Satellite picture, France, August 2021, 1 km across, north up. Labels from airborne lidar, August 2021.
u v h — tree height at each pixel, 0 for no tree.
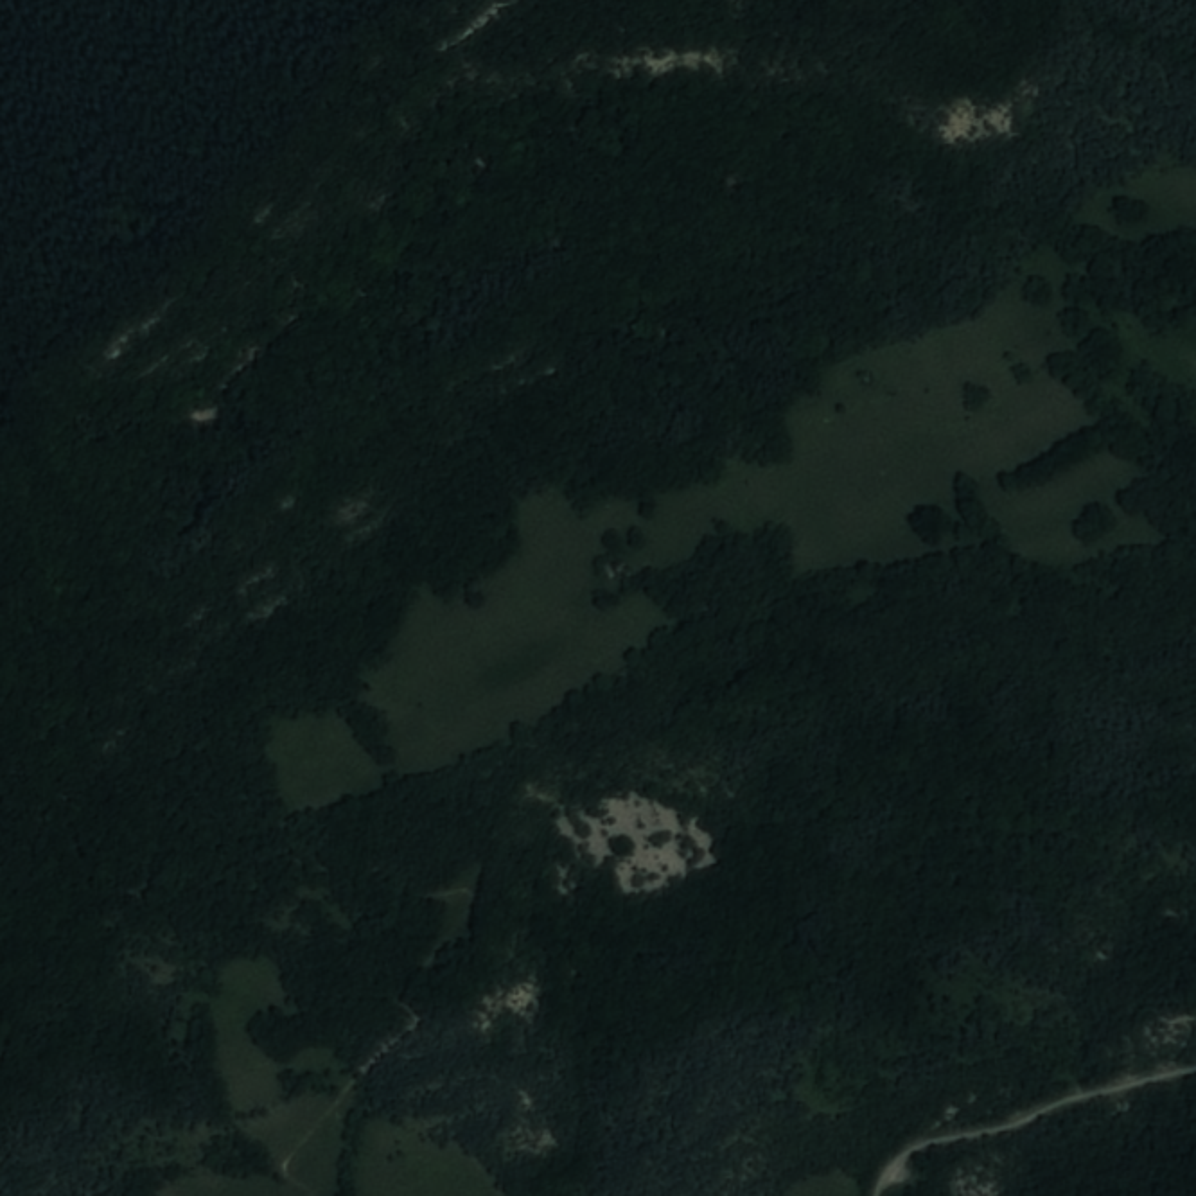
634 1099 12
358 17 18
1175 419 12
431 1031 11
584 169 22
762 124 26
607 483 19
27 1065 19
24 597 22
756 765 7
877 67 12
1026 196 8
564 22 13
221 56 18
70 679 22
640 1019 16
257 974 0
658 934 25
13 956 21
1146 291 17
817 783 16
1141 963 17
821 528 0
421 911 22
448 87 11
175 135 18
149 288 15
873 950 23
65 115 25
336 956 17
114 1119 12
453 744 0
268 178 14
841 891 16
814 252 12
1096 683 7
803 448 0
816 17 14
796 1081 11
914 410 0
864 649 11
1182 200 0
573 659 0
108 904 20
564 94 12
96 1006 13
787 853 20
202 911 12
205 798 12
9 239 27
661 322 14
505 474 15
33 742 23
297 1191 0
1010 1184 9
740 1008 15
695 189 26
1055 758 20
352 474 17
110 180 24
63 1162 13
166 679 11
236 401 23
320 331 20
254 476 29
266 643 21
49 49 24
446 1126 7
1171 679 14
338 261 19
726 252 24
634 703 13
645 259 21
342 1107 0
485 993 15
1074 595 9
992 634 16
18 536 20
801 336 25
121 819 19
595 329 17
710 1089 9
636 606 0
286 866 10
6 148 24
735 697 14
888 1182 0
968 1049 11
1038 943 12
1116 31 17
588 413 21
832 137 22
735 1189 7
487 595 9
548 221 25
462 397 17
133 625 16
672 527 0
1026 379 14
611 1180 13
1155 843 11
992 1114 9
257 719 14
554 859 13
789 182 22
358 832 14
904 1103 15
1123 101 11
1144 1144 18
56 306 18
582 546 0
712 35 16
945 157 17
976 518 16
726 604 13
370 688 15
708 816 13
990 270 14
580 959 20
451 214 18
